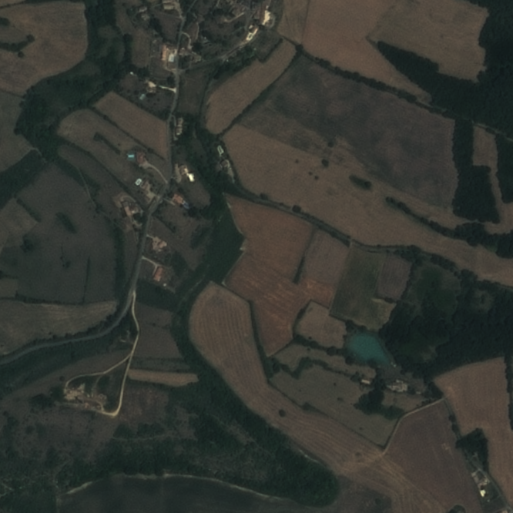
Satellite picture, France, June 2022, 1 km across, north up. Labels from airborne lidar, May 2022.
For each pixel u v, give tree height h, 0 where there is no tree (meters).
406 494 0
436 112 11
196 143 0
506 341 18
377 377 11
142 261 0
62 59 0
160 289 8
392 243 0
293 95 0
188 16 8
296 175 0
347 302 0
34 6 0
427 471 0
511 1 11
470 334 26
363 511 0
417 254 12
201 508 0
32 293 0
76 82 11
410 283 9
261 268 0
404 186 0
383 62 0
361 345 0
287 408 0
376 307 0
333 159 0
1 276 12
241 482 12
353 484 0
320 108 0
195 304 0
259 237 0
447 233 29
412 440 0
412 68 17
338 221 0
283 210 0
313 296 0
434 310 10
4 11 0
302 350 0
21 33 0
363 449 0
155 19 10
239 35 8
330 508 0
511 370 11
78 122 0
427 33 0
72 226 6
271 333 0
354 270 0
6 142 0
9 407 0
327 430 0
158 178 0
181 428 0
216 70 6
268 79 0
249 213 0
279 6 0
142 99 0
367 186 9
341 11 0
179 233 0
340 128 0
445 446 0
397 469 0
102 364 0
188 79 0
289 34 0
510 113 12
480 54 0
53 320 0
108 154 0
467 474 0
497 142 11
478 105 8
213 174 6
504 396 0
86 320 0
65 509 0
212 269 7
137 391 0
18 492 7
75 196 0
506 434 0
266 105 0
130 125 0
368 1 0
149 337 0
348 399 0
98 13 20
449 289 0
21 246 7
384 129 0
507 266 0
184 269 0
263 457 7
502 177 10
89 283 0
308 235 0
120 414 0
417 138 0
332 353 13
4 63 0
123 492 0
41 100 10
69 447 0
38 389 0
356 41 0
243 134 0
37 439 0
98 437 0
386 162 0
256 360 0
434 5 0
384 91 10
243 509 0
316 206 0
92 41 6
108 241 0
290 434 0
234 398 8
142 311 0
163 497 0
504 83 22
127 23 0
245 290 0
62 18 0
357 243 6
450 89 14
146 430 7
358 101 0
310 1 0
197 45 6
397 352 17
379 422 0
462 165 13
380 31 0
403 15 0
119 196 0
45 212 0
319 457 0
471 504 0
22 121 7
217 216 10
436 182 0
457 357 14
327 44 0
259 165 0
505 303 13
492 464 0
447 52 0
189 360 10
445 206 0
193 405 6
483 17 0
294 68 0
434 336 9
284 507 0
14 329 0
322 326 0
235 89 0
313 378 0
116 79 12
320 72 0
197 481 0
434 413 0
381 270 0
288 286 0
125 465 11
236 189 6
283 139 0
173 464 10
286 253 0
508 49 15
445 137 0
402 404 0
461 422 0
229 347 0
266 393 0
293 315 0
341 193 0
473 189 13
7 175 6
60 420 0
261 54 0
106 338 5
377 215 0
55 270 0
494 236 13
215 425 11
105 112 0
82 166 0
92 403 0
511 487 0
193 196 0
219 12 13
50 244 0
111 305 0
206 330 0
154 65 0
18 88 0
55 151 8
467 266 0
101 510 0
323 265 0
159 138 0
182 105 0
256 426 20
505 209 0
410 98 14
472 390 0
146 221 6
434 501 0
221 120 0
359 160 0
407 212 19
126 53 12
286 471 9
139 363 0
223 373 0
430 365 8
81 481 8
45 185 0
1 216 0
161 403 0
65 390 0
